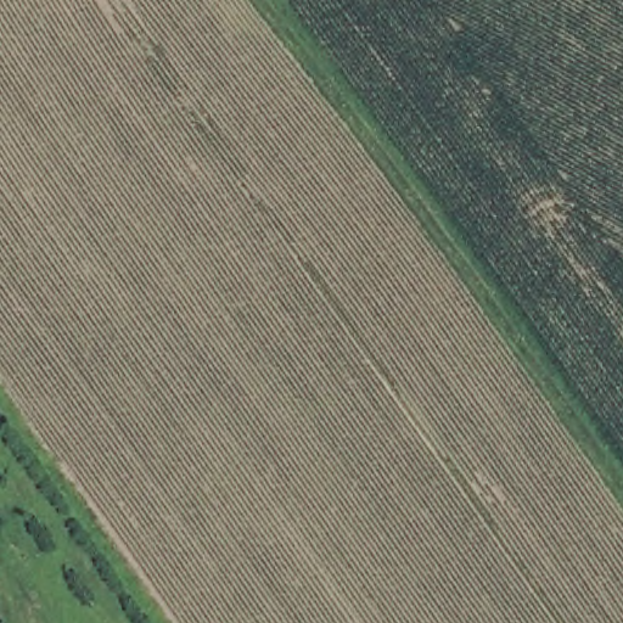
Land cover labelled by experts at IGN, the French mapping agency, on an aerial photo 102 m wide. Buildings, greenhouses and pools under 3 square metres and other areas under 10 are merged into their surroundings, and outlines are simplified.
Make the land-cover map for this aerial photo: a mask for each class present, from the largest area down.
<instances>
[{"label":"agricultural land","instance_id":"1","mask_svg":"<svg viewBox=\"0 0 623 623\"><path fill-rule=\"evenodd\" d=\"M0 394L15 404L22 423L44 448L56 458L58 472L73 484L78 496L95 513L100 528L107 533L117 552L127 560L129 569L136 574L144 591L158 604L168 623H623V0H0Z\"/></svg>","mask_w":623,"mask_h":623},{"label":"herbaceous vegetation","instance_id":"2","mask_svg":"<svg viewBox=\"0 0 623 623\"><path fill-rule=\"evenodd\" d=\"M0 419L10 428H17L22 423L15 404L0 394ZM39 475H49L51 484H56V492L63 499L61 511L56 513L51 504L37 492L34 482L24 475L19 462L0 448V623H129L119 608L117 596L97 577L90 557L71 543L66 518H75L78 526L88 533V538L97 543V552L110 562V569L122 582L124 594H129L139 611L148 616V623H168L158 604L144 591L136 574L129 569L127 560L117 552L107 533L100 528L95 513L78 496L73 484L58 472L56 458L44 448L39 453ZM32 518L49 528L54 550H37L34 538L24 531V523ZM61 567L73 569L78 582L90 589L92 601L88 606H83L68 591Z\"/></svg>","mask_w":623,"mask_h":623},{"label":"brushwood","instance_id":"3","mask_svg":"<svg viewBox=\"0 0 623 623\"><path fill-rule=\"evenodd\" d=\"M0 448L19 462L24 475L34 482L37 492L51 504L56 513L61 511L63 499L56 492V484H51L49 475H39V453L44 448L22 423L17 428H10L0 419ZM24 531L34 538L37 550H54L49 528L32 518L24 523ZM71 543L90 557L97 577L117 596L119 608L129 623H148V616L139 611L129 594H124L122 582L110 569V562L97 552V543L88 538V533L78 526L75 518H66ZM68 591L83 606H88L92 601L90 589L78 582L73 569L61 567Z\"/></svg>","mask_w":623,"mask_h":623}]
</instances>
